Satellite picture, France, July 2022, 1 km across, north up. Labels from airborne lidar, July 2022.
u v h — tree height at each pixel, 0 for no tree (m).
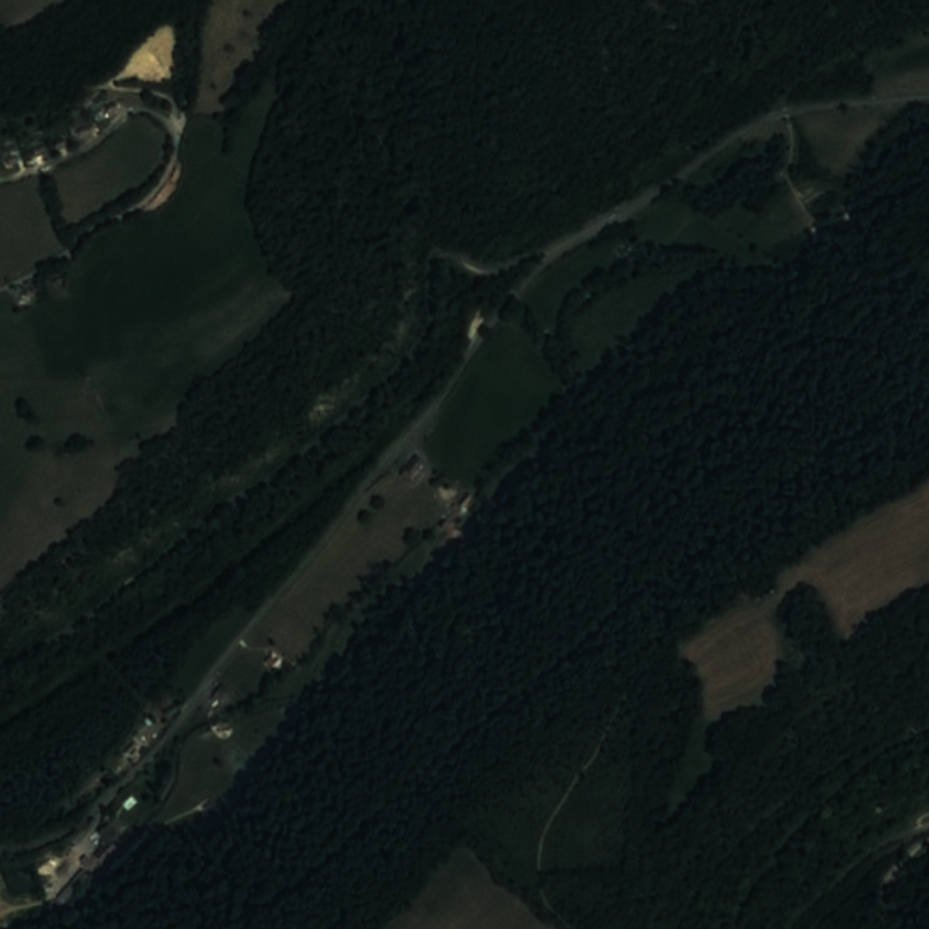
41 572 26
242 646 0
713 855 23
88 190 0
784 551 20
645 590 28
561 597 36
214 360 0
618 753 16
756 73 22
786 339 33
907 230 37
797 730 25
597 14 18
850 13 19
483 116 19
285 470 11
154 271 0
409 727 26
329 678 23
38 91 23
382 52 19
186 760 0
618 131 27
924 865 15
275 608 0
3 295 0
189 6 24
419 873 17
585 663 27
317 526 19
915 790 18
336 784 35
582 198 20
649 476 35
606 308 0
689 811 18
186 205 0
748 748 24
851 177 12
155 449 14
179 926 28
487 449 0
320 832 32
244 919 25
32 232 0
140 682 27
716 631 0
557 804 0
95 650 26
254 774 21
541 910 15
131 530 8
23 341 0
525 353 0
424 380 34
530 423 0
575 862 0
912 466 20
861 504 24
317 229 29
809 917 7
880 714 29
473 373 0
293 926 30
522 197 16
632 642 24
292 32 15
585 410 33
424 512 0
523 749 15
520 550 30
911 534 0
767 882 23
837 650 19
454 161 22
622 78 19
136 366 0
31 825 19
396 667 33
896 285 31
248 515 35
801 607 22
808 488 24
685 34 25
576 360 21
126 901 35
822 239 8
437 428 0
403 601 20
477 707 23
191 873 30
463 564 26
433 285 21
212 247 0
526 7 26
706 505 31
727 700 0
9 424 0
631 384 28
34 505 0
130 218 15
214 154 0
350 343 21
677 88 21
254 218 11
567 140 19
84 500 0
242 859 31
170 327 0
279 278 11
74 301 0
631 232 17
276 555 25
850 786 21
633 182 8
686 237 0
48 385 0
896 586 0
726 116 23
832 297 28
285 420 23
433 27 27
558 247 0
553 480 34
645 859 25
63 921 30
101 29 20
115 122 0
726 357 23
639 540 31
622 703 9
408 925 0
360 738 28
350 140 17
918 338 24
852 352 30
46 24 25
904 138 9
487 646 34
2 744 22
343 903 31
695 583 30
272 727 0
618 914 13
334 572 0
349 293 23
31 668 28
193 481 22
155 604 22
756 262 0
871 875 6
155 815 0
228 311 0
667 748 24
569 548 36
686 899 21
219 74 0
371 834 29
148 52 0
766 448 25
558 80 16
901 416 30
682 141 22
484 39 24
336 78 31
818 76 6
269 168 24
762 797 22
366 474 17
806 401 14
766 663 0
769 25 40
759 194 25
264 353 19
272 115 10
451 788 23
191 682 0
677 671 19
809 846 27
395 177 25
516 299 16
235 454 18
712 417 33
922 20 11
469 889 0
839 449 26
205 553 35
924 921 29
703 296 28
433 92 23
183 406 12
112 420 0
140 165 0
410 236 29
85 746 25
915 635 25
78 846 0
